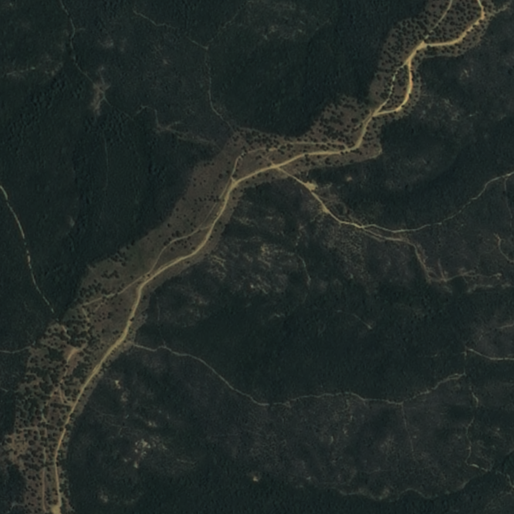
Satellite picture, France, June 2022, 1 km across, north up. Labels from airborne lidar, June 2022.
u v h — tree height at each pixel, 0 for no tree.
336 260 7
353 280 8
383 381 7
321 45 8
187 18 7
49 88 8
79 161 8
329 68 6
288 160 0
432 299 9
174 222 0
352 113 0
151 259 0
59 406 7
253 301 6
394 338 6
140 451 0
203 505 9
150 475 7
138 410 9
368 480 10
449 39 7
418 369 6
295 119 5
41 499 6
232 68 9
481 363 7
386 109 8
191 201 0
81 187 9
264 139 6
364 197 7
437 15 6
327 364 6
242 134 5
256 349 6
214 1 6
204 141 0
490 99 7
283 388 7
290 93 6
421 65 8
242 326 6
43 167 10
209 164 7
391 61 6
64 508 10
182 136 9
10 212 6
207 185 0
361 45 8
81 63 8
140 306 0
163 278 0
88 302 6
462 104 7
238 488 5
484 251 0
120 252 11
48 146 6
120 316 0
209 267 6
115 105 6
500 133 6
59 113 6
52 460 6
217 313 6
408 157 7
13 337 6
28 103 10
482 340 0
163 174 11
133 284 0
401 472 7
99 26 10
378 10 7
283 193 7
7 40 6
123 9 7
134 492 11
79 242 8
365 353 7
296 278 6
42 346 9
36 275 7
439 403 0
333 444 0
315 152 0
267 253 0
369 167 6
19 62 6
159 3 6
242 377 6
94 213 6
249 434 8
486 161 7
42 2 7
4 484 8
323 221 0
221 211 0
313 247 7
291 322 12
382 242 0
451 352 9
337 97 8
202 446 7
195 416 7
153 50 7
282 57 6
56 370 7
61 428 6
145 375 9
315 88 8
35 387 8
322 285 0
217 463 8
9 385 7
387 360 8
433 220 7
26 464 7
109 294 7
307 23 9
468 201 6
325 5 7
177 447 7
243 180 0
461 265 0
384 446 0
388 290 9
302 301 5
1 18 7
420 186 8
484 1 6
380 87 0
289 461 6
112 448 9
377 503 7
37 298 6
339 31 11
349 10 7
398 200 9
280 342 8
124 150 6
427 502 7
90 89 5
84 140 9
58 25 6
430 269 0
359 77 10
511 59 0
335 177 8
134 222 10
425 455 0
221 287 6
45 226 6
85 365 7
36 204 6
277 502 9
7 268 6
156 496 8
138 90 6
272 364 7
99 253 6
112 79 7
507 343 0
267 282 0
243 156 6
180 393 7
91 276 0
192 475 6
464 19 6
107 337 0
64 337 9
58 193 6
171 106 9
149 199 7
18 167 6
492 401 0
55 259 9
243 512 7
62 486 9
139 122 6
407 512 7
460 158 6
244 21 9
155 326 8
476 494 8
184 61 5
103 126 13
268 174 6
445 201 5
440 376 6
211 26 6
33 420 6
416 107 6
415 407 0
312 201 0
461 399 0
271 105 8
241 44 7
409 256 0
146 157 9
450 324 7
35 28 8
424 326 6
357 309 6
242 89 6
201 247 0
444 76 6
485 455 6
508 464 8
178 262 0
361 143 0
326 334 8
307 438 6
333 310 7
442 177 6
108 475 8
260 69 6
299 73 11
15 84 6
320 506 8
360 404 0
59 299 10
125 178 6
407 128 6
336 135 6
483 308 8
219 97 6
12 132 10
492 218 7
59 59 7
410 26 7
